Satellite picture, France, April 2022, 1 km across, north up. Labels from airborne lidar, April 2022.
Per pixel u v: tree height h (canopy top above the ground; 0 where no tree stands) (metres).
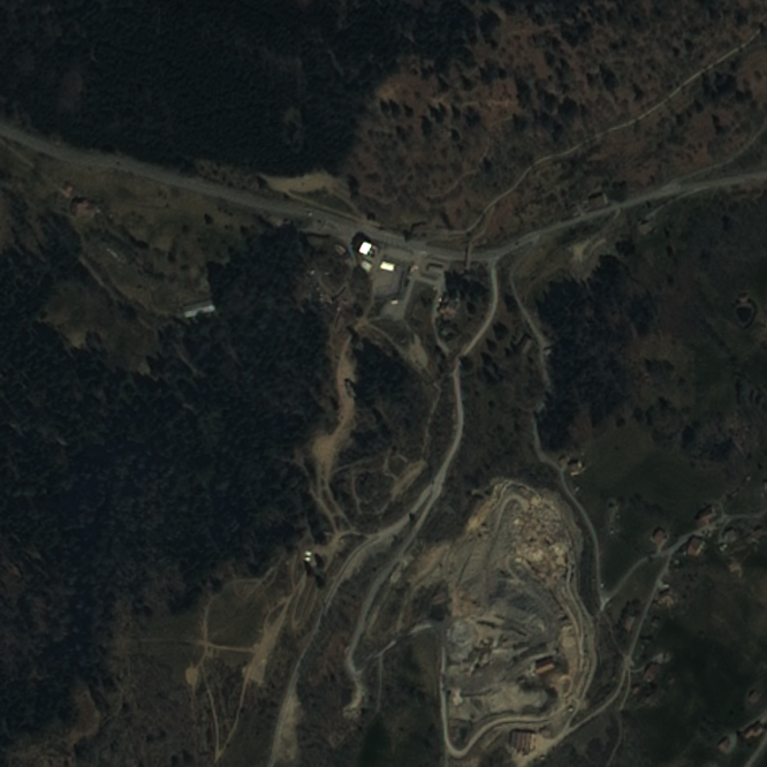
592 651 0
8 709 22
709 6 7
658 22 9
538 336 0
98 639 8
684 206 6
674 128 11
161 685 7
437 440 8
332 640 6
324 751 13
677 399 0
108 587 21
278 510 20
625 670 0
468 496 12
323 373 21
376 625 0
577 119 12
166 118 29
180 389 16
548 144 16
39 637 30
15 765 7
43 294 31
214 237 0
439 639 0
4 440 20
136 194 0
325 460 0
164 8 18
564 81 8
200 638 0
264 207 0
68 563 19
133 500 29
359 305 10
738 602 0
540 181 0
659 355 0
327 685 5
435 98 0
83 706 0
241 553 20
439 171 6
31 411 33
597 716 0
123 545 13
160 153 14
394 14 8
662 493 0
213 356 22
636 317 31
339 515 0
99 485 31
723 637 0
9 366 13
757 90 0
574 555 0
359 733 6
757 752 0
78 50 18
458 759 0
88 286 27
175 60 23
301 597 0
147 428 31
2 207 0
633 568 0
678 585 0
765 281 0
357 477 5
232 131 23
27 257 29
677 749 0
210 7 18
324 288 0
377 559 9
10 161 0
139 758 10
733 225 20
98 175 0
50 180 0
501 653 0
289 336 18
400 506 6
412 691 8
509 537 0
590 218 0
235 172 0
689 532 0
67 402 29
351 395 0
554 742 0
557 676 0
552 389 9
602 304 17
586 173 0
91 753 6
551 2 13
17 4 18
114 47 21
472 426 18
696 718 0
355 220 0
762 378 0
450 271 0
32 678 23
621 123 12
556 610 0
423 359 0
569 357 25
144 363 0
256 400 30
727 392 0
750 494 0
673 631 0
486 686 0
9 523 9
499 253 0
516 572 0
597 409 20
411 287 0
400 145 7
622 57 7
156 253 7
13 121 11
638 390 19
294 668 0
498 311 0
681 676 0
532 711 0
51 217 17
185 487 22
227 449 24
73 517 34
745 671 0
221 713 0
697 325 12
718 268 19
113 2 22
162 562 20
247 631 0
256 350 27
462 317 0
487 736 0
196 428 29
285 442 30
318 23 20
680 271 12
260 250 19
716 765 0
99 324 0
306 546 0
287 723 0
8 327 26
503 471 13
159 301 0
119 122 17
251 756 0
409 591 10
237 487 18
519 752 0
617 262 9
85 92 10
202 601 9
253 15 21
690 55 6
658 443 17
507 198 0
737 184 0
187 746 9
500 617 0
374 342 0
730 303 13
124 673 0
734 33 7
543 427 16
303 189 0
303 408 25
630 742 9
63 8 18
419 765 0
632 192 17
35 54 25
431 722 0
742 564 0
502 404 0
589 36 7
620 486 0
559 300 23
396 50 18
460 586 0
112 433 32
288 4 15
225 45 12
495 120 0
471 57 20
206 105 22
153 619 12
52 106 15
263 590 0
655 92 7
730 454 13
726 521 0
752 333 0
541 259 0
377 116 14
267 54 18
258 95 23
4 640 17
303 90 19
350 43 21
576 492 0
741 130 9
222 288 10
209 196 0
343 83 20
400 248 0
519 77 10
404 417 9
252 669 0
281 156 24
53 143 0
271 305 21
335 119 22
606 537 0
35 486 31
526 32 0
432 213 12
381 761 0
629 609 9
